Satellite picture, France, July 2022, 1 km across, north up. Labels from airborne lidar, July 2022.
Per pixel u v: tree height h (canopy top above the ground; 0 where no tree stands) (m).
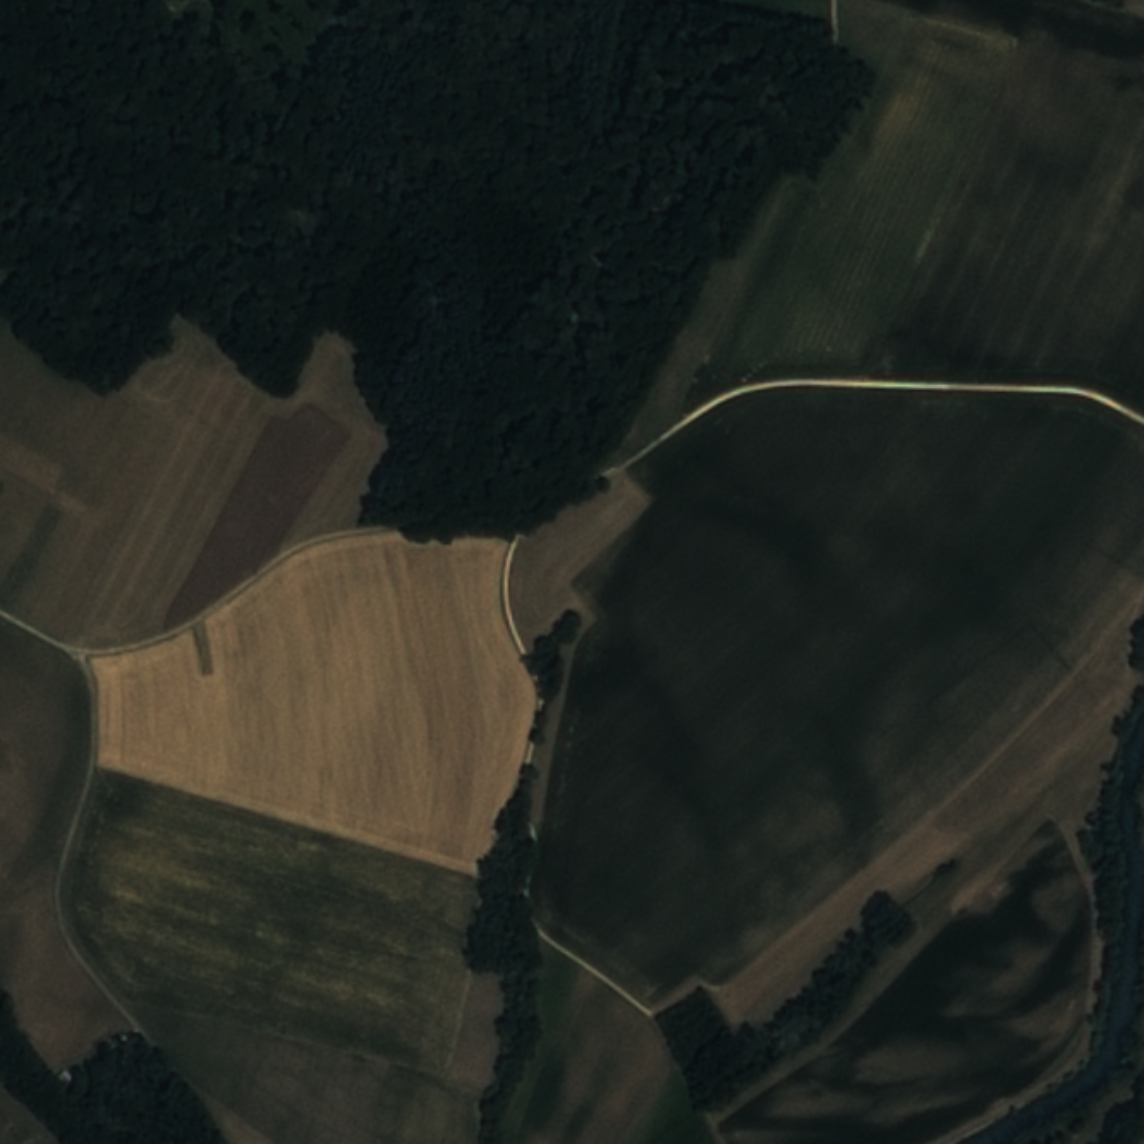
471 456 28
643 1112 0
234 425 0
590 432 22
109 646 0
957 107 0
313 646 0
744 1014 0
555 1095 0
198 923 0
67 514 0
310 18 0
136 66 23
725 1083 18
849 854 0
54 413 0
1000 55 0
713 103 28
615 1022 0
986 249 0
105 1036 0
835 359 0
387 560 0
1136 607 0
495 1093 7
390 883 0
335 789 0
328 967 0
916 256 0
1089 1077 0
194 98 27
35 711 0
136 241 29
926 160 0
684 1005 6
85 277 27
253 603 0
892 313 0
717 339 0
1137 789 11
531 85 26
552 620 0
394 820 0
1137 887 0
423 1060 0
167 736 0
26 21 25
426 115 28
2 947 0
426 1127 0
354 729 0
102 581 0
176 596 0
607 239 28
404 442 24
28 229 27
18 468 0
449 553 0
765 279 0
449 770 0
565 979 0
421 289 26
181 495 0
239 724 0
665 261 29
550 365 26
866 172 0
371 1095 0
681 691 0
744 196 25
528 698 0
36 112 25
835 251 0
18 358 0
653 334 27
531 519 21
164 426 0
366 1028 0
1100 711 0
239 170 30
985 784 0
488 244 13
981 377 0
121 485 0
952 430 0
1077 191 0
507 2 24
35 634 0
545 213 27
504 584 0
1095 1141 0
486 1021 0
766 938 0
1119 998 0
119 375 25
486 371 20
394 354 14
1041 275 0
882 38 0
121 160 27
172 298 30
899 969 0
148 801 0
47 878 0
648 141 28
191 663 0
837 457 0
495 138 23
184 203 25
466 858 0
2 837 0
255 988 0
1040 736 0
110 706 0
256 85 29
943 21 0
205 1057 0
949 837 0
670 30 16
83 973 0
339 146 27
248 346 23
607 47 33
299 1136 0
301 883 0
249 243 28
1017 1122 0
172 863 0
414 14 22
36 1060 11
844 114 29
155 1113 24
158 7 29
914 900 0
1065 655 0
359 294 14
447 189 23
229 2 28
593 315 25
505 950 15
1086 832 10
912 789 0
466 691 0
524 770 9
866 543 0
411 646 0
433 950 0
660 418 0
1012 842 0
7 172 28
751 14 26
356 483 0
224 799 0
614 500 0
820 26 23
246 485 0
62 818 0
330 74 25
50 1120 19
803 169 22
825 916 0
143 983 0
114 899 0
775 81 26
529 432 25
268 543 0
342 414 0
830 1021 11
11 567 0
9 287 14
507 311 13
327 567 0
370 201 28
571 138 28
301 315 27
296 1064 0
